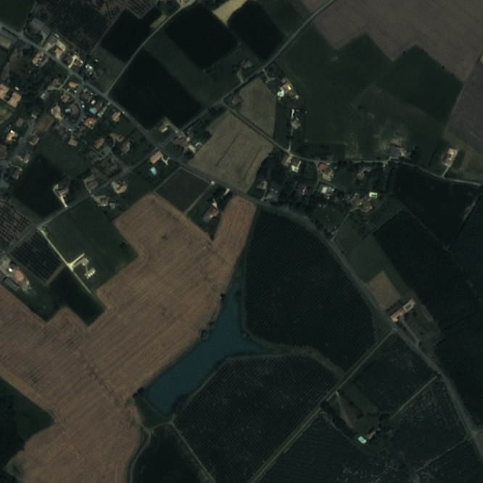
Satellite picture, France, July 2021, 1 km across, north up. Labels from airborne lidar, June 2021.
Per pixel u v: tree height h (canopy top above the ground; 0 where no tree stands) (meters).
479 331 10
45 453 0
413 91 0
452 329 11
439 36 0
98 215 0
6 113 0
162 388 0
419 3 0
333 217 0
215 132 0
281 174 9
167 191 0
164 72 0
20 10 0
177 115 0
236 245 0
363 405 0
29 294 0
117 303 0
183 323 0
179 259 0
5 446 11
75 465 0
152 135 0
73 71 0
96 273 0
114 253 0
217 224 0
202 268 0
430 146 0
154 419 0
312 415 0
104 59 0
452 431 6
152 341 0
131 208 0
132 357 0
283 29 0
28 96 9
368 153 0
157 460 0
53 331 0
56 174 0
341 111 0
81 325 0
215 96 0
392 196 7
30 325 0
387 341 0
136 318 0
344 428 9
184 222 0
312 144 0
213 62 0
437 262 11
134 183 0
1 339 0
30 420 0
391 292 0
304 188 0
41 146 0
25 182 0
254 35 0
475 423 7
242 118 0
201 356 0
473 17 0
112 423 0
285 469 5
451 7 0
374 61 0
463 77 0
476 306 10
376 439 12
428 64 0
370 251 0
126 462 0
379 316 0
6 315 0
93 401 0
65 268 0
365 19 0
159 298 0
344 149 0
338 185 0
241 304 0
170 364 0
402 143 0
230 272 0
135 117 0
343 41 0
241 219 0
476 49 0
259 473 0
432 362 0
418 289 8
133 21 0
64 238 0
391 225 10
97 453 0
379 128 0
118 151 9
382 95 0
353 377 0
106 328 0
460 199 0
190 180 0
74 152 0
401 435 5
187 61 0
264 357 0
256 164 0
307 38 0
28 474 0
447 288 8
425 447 6
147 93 0
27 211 0
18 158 0
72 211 0
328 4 0
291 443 0
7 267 0
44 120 0
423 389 0
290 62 0
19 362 0
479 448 0
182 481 0
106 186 0
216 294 0
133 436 0
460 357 12
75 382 0
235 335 0
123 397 0
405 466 8
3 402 9
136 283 0
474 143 0
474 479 6
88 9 6
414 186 0
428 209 0
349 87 0
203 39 0
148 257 0
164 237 0
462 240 11
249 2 0
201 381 0
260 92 0
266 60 0
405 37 0
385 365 6
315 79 0
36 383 0
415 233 11
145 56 0
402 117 0
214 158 0
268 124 0
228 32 0
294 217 0
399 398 6
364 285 0
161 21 0
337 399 0
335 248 0
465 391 11
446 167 0
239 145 0
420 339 0
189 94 0
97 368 0
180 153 0
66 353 0
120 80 0
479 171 0
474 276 12
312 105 0
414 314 6
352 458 6
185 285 0
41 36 7
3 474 12
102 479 0
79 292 0
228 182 0
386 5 0
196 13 0
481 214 11
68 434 0
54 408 0
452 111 0
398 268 9
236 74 8
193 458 0
